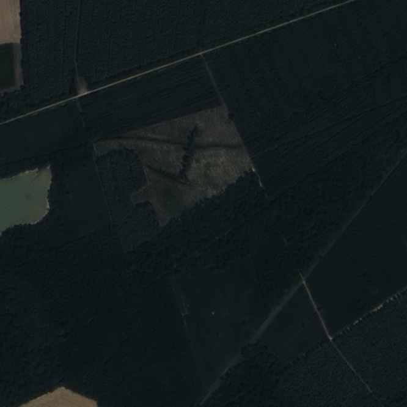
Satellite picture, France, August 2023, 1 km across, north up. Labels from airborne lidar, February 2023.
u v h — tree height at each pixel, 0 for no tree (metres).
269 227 11
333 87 11
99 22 15
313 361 22
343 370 20
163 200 0
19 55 0
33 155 7
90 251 11
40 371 25
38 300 16
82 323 18
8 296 25
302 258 10
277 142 10
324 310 6
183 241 21
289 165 10
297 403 24
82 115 15
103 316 11
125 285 13
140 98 7
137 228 17
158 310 14
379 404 19
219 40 10
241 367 13
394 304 14
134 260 15
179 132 0
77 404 0
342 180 20
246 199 18
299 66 7
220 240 10
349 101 9
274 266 12
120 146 0
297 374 22
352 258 7
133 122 7
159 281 14
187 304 0
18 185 0
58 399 0
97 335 11
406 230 7
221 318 0
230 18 18
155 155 0
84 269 13
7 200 0
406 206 7
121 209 18
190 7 18
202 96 9
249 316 0
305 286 0
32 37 17
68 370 12
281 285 12
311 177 19
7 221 0
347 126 8
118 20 16
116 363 15
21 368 21
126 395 15
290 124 7
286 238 11
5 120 12
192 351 10
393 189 6
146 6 15
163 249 11
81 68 14
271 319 0
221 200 18
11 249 13
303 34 6
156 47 16
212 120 0
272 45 9
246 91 9
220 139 0
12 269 16
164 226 0
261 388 26
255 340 0
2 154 7
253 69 8
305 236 20
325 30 6
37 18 15
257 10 16
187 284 0
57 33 17
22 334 20
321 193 13
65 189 7
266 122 11
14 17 0
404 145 20
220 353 0
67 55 15
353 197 15
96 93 10
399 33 9
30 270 14
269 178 10
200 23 17
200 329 0
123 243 18
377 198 7
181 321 11
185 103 8
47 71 17
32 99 17
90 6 17
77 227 7
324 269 6
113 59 17
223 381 16
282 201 16
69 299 14
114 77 13
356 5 11
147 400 12
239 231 13
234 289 0
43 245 14
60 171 17
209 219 22
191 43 16
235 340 0
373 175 18
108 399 15
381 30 7
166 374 13
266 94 10
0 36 0
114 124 12
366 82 10
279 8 17
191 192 0
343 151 12
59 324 21
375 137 18
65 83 15
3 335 22
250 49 9
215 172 0
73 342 12
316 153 12
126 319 15
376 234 7
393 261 6
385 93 8
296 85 6
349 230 7
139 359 12
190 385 13
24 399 21
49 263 14
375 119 13
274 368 16
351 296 6
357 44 8
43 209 0
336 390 18
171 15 16
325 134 11
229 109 6
